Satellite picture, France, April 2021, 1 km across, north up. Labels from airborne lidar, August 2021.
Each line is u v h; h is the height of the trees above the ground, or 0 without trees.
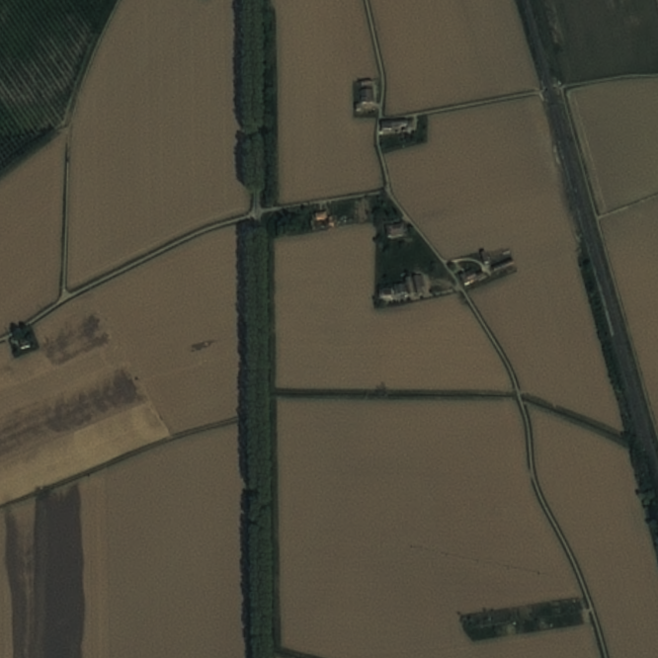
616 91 0
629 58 0
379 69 0
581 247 0
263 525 38
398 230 0
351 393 0
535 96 0
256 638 37
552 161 0
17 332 19
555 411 0
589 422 0
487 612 10
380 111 0
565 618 0
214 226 0
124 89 0
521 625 0
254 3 34
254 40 32
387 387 12
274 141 32
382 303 12
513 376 0
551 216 0
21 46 22
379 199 5
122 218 0
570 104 0
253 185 38
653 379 0
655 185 0
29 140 21
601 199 0
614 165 0
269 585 36
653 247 0
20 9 24
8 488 0
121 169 0
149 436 0
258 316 36
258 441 38
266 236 34
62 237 0
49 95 25
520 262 0
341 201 0
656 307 0
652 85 0
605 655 0
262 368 35
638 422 0
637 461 10
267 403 36
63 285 0
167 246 0
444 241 0
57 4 26
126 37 0
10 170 19
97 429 0
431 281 0
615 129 0
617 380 6
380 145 7
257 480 37
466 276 0
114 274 0
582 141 0
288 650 0
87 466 0
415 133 7
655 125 0
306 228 11
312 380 0
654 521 11
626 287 0
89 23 22
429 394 0
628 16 0
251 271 38
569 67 0
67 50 26
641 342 0
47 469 0
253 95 37
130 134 0
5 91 22
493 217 0
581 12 0
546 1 0
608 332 8
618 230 0
